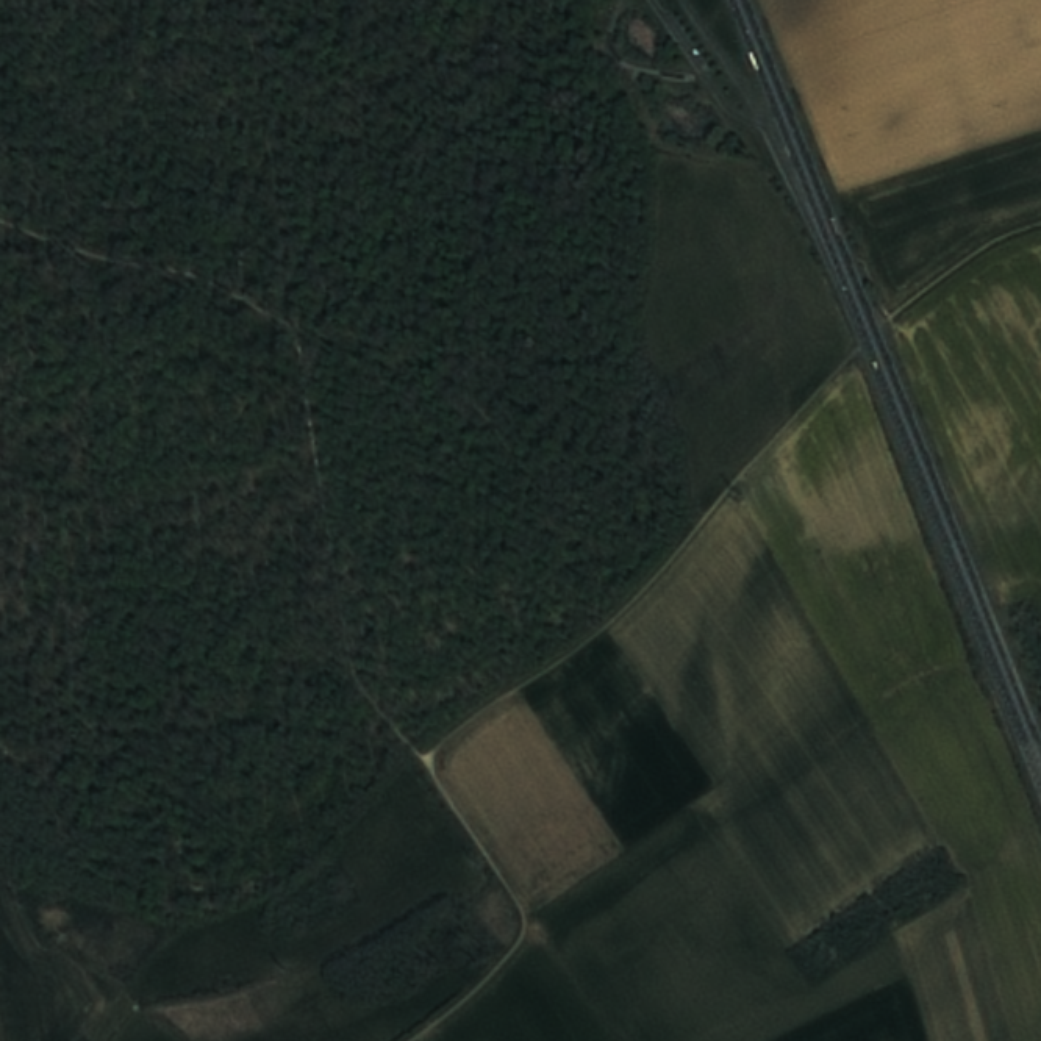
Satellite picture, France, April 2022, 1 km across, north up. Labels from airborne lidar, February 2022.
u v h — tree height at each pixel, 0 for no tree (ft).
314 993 0
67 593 77
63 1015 0
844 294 0
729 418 0
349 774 77
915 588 0
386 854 0
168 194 74
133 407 73
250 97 64
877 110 0
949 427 0
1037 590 0
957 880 22
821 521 0
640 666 0
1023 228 0
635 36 0
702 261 0
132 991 0
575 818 0
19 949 0
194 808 65
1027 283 0
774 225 0
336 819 71
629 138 69
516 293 62
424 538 74
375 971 64
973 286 0
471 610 80
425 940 65
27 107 73
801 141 0
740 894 0
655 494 73
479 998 0
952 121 0
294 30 70
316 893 36
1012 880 0
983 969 0
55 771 74
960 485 0
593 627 61
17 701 62
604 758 0
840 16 0
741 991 0
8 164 60
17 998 0
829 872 0
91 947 0
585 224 79
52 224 65
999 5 0
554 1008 0
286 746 70
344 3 84
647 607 0
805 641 0
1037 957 0
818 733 0
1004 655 0
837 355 0
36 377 65
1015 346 0
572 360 68
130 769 74
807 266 0
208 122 63
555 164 69
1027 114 0
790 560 0
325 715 74
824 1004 0
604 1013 0
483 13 68
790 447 0
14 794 81
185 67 78
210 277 64
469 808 0
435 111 70
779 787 0
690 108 22
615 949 0
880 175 0
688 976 0
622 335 64
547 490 67
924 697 0
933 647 0
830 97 0
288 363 73
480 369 79
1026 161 0
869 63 0
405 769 43
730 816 0
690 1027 0
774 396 0
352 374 72
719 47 0
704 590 0
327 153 63
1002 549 0
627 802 0
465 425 70
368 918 0
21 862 73
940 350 0
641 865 0
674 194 0
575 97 67
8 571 76
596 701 0
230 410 68
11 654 77
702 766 0
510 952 0
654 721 0
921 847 0
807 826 0
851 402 0
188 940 0
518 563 83
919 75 0
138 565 70
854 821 0
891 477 0
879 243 0
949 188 0
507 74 55
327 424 73
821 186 0
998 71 0
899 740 0
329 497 64
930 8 0
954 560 0
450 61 71
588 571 72
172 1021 0
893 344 0
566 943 0
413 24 74
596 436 77
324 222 69
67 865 81
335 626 63
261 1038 0
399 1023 0
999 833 0
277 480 0
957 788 0
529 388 84
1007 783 0
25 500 71
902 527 0
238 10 69
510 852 0
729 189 0
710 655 0
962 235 0
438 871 0
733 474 0
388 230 71
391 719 72
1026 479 0
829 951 25
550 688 0
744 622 0
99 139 78
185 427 69
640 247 63
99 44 77
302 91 77
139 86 71
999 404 0
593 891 0
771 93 0
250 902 51
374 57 69
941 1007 0
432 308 78
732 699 0
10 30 70
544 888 0
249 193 76
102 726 73
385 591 76
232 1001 0
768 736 0
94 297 76
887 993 0
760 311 0
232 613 72
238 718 69
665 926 0
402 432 72
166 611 68
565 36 59
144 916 53
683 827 0
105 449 71
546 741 0
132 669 66
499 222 66
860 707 0
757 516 0
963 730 0
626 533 73
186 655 77
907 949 0
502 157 68
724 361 0
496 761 0
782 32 0
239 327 74
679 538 66
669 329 0
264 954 0
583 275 73
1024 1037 0
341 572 66
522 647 74
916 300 0
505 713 0
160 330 77
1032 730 0
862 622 0
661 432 57
